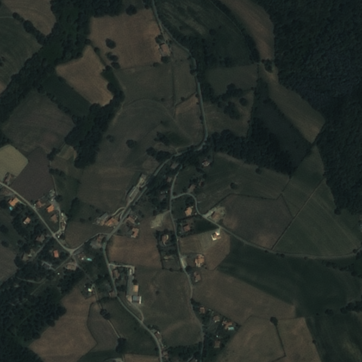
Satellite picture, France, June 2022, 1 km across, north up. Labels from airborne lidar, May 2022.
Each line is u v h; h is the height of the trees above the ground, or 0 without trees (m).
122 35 0
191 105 0
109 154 0
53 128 0
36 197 0
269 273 0
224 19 0
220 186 0
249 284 0
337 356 0
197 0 0
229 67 8
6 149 0
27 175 0
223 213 0
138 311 0
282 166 16
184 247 0
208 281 0
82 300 0
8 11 0
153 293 0
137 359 0
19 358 13
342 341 0
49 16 0
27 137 0
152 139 0
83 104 0
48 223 0
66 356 0
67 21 12
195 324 0
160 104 0
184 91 0
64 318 0
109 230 0
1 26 0
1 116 22
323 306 0
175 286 0
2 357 25
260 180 0
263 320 0
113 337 0
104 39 0
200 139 0
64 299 0
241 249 0
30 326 24
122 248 0
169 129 0
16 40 0
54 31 14
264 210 0
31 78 24
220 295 0
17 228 12
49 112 0
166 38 0
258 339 0
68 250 0
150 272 0
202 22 0
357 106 18
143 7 0
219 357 0
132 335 0
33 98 0
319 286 0
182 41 19
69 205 0
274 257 0
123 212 0
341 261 0
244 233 0
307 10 15
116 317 0
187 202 6
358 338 0
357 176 18
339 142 12
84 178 0
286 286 0
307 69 10
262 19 0
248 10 0
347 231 0
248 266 0
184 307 0
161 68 0
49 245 17
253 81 0
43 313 20
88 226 0
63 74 0
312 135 0
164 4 0
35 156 0
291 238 0
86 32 16
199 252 0
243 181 0
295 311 0
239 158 11
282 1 8
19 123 0
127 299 0
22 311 15
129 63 0
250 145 22
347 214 0
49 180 0
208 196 0
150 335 0
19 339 0
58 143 0
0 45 0
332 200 0
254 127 11
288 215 0
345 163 18
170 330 0
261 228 0
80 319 0
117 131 0
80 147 12
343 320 0
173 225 0
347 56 17
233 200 0
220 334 6
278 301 0
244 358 0
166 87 0
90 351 0
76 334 0
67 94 0
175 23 0
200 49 17
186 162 17
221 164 0
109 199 0
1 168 0
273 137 14
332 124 13
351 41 16
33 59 13
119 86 0
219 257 0
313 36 14
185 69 0
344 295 0
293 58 6
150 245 0
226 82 0
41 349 0
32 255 0
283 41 23
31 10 0
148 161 0
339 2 26
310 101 15
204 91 9
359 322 0
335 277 0
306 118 0
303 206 0
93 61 0
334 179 17
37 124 0
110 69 19
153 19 0
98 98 0
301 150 0
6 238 0
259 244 0
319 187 0
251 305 0
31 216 8
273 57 0
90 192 0
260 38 0
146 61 0
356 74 14
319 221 0
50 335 0
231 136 24
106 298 6
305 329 0
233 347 0
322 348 0
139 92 0
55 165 0
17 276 12
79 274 14
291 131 0
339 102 19
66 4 10
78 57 6
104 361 0
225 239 0
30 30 19
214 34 17
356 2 22
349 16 24
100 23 0
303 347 0
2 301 14
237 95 17
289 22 9
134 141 10
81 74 0
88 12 20
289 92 0
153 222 0
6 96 20
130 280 0
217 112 0
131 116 0
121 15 0
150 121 0
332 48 20
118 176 0
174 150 0
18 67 0
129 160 0
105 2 21
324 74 17
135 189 0
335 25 27
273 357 0
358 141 22
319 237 0
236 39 0
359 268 0
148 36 0
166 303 0
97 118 14
